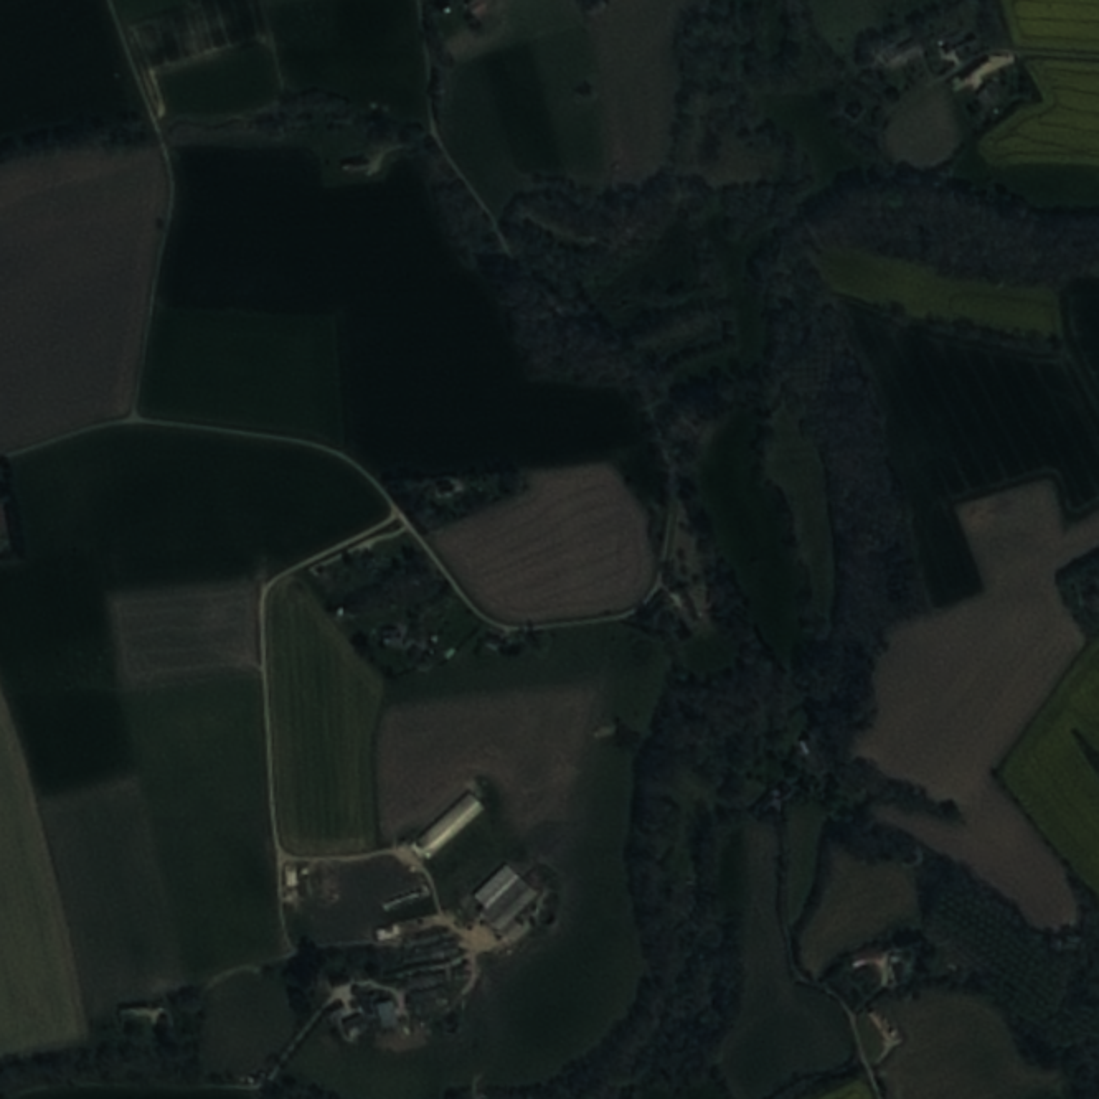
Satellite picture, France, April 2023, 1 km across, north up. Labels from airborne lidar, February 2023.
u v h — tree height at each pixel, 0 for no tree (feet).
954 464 0
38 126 0
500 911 0
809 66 49
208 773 0
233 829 0
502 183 0
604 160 0
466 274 0
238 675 0
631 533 0
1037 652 0
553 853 0
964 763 0
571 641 0
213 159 0
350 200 0
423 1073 0
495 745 0
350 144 0
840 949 0
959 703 0
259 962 0
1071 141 0
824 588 0
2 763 0
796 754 22
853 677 61
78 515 0
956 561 0
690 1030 65
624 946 0
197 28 0
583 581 0
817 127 0
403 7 0
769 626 0
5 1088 70
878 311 40
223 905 0
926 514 0
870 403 55
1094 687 0
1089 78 0
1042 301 0
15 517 50
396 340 0
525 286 96
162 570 0
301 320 0
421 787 0
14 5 0
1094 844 0
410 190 0
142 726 0
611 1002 0
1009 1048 0
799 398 67
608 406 0
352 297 0
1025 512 0
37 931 0
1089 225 71
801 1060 0
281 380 0
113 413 0
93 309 0
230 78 0
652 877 64
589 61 0
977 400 0
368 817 0
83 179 0
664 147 0
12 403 0
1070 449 0
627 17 0
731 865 0
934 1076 0
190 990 21
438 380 0
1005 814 0
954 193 66
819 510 0
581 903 0
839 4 0
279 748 0
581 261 51
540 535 0
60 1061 55
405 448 0
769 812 34
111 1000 0
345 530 0
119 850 0
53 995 0
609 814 0
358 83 0
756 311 0
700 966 67
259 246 0
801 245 79
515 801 0
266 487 0
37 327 0
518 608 0
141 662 0
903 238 78
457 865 0
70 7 0
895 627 61
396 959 28
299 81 0
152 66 0
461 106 0
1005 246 75
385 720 0
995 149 0
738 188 27
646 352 0
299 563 0
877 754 0
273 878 0
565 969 0
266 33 0
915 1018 0
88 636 0
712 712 72
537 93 0
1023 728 0
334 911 0
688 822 0
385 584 47
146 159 0
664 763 104
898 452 0
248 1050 0
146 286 0
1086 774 0
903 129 0
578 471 0
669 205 69
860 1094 0
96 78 0
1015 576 0
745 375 66
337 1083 0
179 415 0
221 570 0
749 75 61
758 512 0
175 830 0
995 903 88
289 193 0
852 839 72
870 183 48
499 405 0
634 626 23
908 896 0
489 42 0
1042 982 109
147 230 0
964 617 0
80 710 0
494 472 29
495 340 0
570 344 63
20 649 0
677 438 84
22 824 0
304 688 0
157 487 0
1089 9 0
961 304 0
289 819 0
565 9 0
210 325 0
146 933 0
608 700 0
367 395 0
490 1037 0
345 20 0
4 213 0
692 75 24
